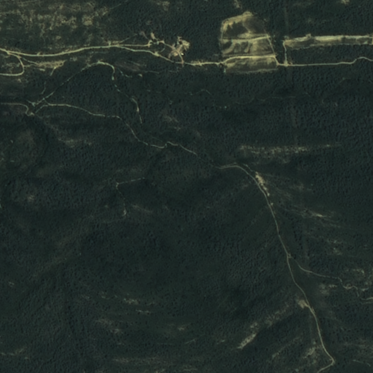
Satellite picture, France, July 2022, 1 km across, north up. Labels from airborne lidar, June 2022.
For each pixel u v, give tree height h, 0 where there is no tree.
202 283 7
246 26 0
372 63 11
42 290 10
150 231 9
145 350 6
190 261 8
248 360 10
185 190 8
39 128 9
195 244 8
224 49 0
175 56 0
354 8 11
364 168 9
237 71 0
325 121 11
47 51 6
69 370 12
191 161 7
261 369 10
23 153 8
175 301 7
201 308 7
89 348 8
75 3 0
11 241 6
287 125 7
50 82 8
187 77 7
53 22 0
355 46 12
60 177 5
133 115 9
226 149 8
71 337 11
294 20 8
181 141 10
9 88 0
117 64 0
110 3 8
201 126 6
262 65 0
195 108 7
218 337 6
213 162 11
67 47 0
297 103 8
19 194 6
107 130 8
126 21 6
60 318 8
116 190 7
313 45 0
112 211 9
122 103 7
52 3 0
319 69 11
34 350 7
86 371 10
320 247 8
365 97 6
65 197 12
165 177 8
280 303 6
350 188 7
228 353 6
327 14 7
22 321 7
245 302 11
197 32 7
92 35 0
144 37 7
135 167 8
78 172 6
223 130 10
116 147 7
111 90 9
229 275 9
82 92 11
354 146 9
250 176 9
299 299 0
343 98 7
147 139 10
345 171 10
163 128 12
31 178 10
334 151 9
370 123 11
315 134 10
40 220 5
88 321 8
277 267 7
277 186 7
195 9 7
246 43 0
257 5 10
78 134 7
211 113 11
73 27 0
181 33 6
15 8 0
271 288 7
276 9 8
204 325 8
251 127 7
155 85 6
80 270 8
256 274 15
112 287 9
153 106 9
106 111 8
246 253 11
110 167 6
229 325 7
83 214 8
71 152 10
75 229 8
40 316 8
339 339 9
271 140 8
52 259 11
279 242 8
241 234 7
